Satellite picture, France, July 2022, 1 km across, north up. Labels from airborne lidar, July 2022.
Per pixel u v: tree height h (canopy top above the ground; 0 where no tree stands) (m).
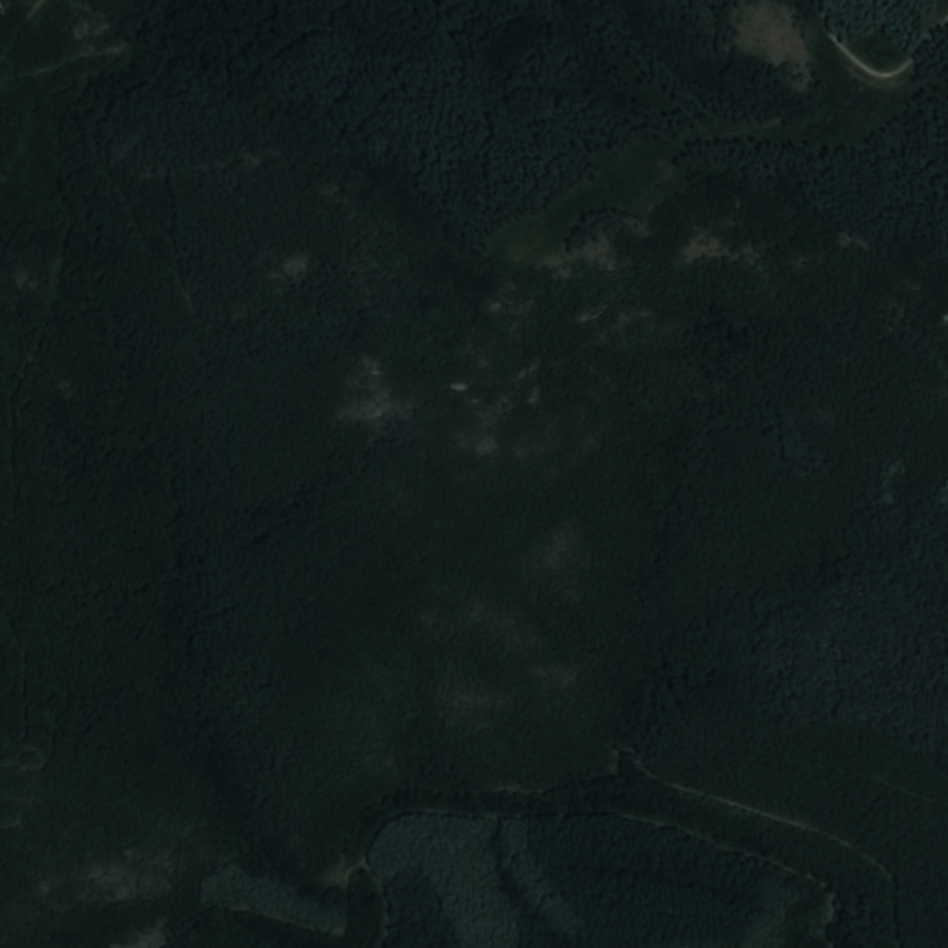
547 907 14
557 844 24
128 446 7
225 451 13
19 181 6
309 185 9
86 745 18
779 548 12
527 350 10
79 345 15
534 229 0
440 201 10
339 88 19
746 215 12
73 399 16
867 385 12
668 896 23
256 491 18
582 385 8
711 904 28
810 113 14
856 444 12
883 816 17
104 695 17
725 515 9
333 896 17
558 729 13
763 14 0
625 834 22
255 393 12
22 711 17
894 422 9
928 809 12
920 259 6
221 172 10
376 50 16
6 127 9
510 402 9
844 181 21
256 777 11
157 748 15
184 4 12
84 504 20
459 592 9
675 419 14
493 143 21
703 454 14
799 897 18
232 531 22
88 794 12
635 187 0
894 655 16
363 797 10
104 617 20
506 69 17
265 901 17
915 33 18
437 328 10
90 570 16
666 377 10
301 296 11
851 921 30
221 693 13
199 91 8
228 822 21
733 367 6
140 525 19
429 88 17
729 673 13
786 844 15
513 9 29
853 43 18
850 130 0
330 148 11
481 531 11
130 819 10
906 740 15
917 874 19
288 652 16
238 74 17
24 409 17
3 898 10
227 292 6
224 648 19
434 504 7
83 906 11
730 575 12
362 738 11
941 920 20
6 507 19
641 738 12
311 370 14
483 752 17
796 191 10
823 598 22
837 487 14
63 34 7
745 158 23
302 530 18
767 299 9
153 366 13
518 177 21
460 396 7
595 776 11
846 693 17
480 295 9
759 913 16
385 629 21
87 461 21
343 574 14
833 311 12
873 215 16
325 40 24
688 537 13
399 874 8
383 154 12
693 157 21
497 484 7
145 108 16
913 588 15
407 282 11
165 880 9
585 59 12
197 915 11
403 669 14
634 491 16
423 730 17
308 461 17
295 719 13
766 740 15
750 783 9
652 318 6
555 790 16
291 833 10
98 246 15
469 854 14
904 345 13
